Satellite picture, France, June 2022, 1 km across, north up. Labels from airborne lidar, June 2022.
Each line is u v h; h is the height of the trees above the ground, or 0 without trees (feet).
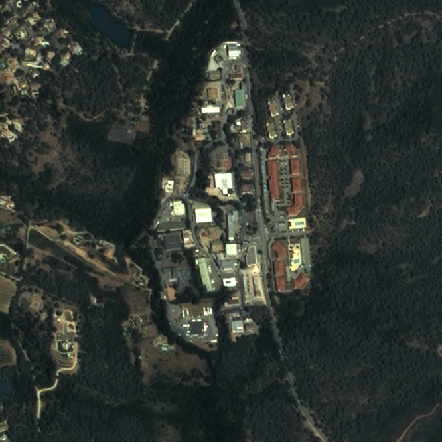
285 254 0
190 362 0
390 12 34
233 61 0
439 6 41
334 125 37
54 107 79
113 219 48
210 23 20
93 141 45
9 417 46
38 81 52
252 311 54
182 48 37
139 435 49
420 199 35
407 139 41
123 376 65
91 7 0
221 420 33
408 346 47
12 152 41
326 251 40
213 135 40
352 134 55
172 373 20
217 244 0
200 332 0
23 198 51
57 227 30
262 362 36
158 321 57
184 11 25
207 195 33
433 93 19
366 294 50
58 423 28
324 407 23
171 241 0
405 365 57
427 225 34
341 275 44
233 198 0
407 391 43
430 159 29
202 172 43
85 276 27
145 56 0
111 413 29
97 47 36
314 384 39
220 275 0
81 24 32
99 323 44
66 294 61
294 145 43
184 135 39
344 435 42
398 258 33
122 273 19
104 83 52
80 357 42
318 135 29
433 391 23
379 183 39
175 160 0
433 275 28
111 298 25
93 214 56
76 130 38
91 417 44
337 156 44
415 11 31
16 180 36
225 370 51
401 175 40
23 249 54
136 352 55
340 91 30
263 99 48
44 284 50
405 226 26
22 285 49
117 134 0
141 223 31
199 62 33
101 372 55
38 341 67
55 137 35
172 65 59
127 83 32
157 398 21
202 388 39
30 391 66
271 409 35
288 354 50
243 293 0
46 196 34
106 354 35
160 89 33
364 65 40
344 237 32
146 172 47
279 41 30
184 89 25
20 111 29
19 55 48
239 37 29
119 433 54
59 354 0
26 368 71
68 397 67
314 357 54
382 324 63
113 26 0
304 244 0
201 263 0
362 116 23
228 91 0
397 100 36
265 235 0
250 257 0
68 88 38
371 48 63
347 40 32
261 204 33
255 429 38
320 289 44
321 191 34
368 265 36
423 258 55
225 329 21
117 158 43
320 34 40
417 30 36
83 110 36
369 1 35
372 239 36
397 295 38
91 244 26
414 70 42
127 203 44
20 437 53
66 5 18
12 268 0
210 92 0
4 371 68
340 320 56
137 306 0
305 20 40
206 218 0
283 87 17
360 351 46
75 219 36
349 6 36
